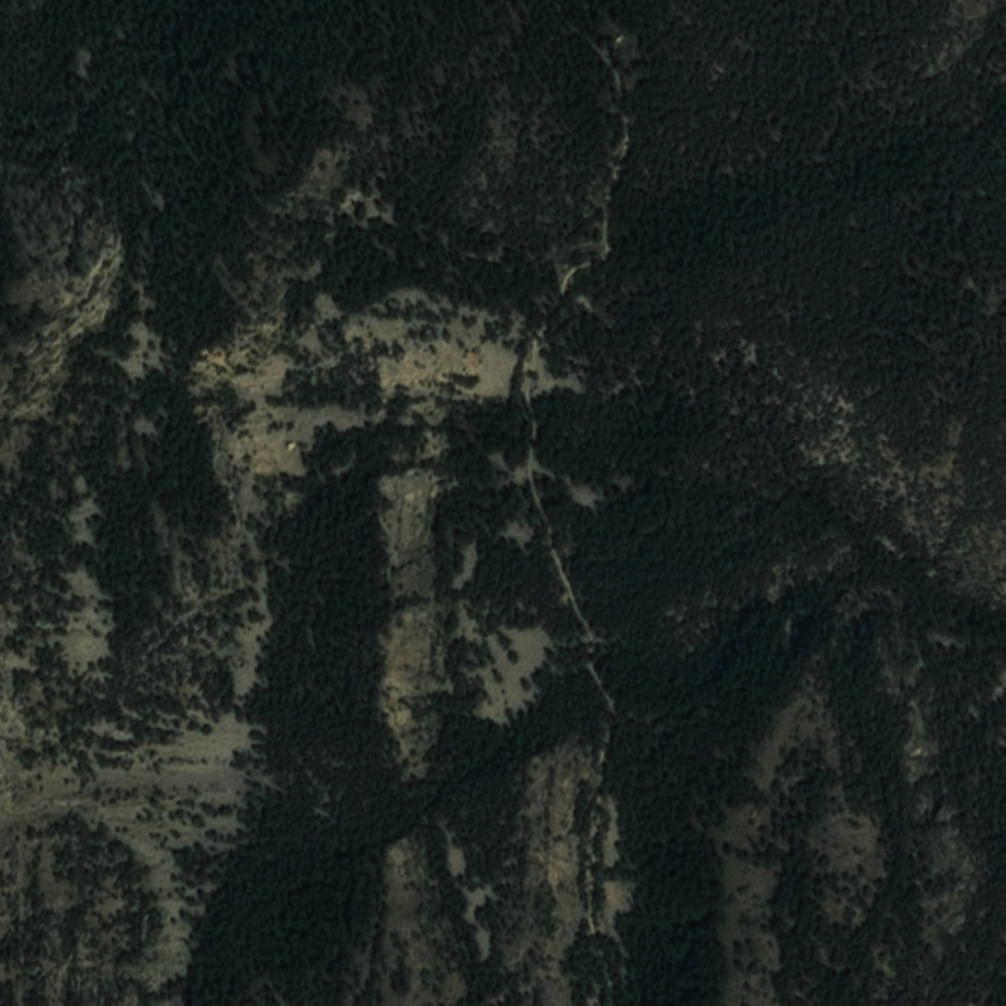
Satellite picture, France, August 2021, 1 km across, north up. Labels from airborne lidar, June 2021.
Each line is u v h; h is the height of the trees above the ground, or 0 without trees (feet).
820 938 44
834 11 54
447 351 0
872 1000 57
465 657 26
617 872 31
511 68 62
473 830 50
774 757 0
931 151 79
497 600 31
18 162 26
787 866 52
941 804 21
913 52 26
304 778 22
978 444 32
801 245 54
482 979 63
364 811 30
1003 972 46
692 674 48
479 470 41
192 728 21
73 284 0
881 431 28
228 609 40
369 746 49
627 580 38
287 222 54
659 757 75
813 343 37
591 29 57
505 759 59
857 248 47
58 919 40
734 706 68
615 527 51
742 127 54
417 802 55
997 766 45
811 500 78
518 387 37
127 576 38
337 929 75
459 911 35
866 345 52
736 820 0
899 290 36
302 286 57
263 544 35
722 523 62
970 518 31
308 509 32
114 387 46
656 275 48
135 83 42
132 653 30
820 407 21
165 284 41
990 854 56
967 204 57
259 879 30
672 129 45
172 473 42
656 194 57
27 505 27
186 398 42
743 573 39
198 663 25
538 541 39
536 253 61
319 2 67
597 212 32
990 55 30
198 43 71
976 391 42
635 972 59
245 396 0
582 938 51
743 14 58
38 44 29
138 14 39
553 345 45
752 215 56
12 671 20
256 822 28
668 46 49
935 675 45
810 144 58
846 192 59
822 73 53
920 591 67
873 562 70
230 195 61
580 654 50
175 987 62
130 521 35
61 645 32
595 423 43
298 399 21
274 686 42
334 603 61
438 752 35
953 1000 45
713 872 53
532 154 35
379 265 79
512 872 45
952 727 34
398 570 27
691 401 43
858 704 65
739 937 0
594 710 44
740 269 52
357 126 34
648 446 77
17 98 22
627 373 62
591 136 47
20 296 0
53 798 0
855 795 44
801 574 39
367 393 25
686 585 51
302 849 39
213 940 39
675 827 58
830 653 54
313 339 0
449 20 56
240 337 23
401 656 0
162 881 0
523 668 0
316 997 50
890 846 32
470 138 49
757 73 47
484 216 33
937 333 23
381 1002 36
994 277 37
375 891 46
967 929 38
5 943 33
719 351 39
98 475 28
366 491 44
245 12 57
